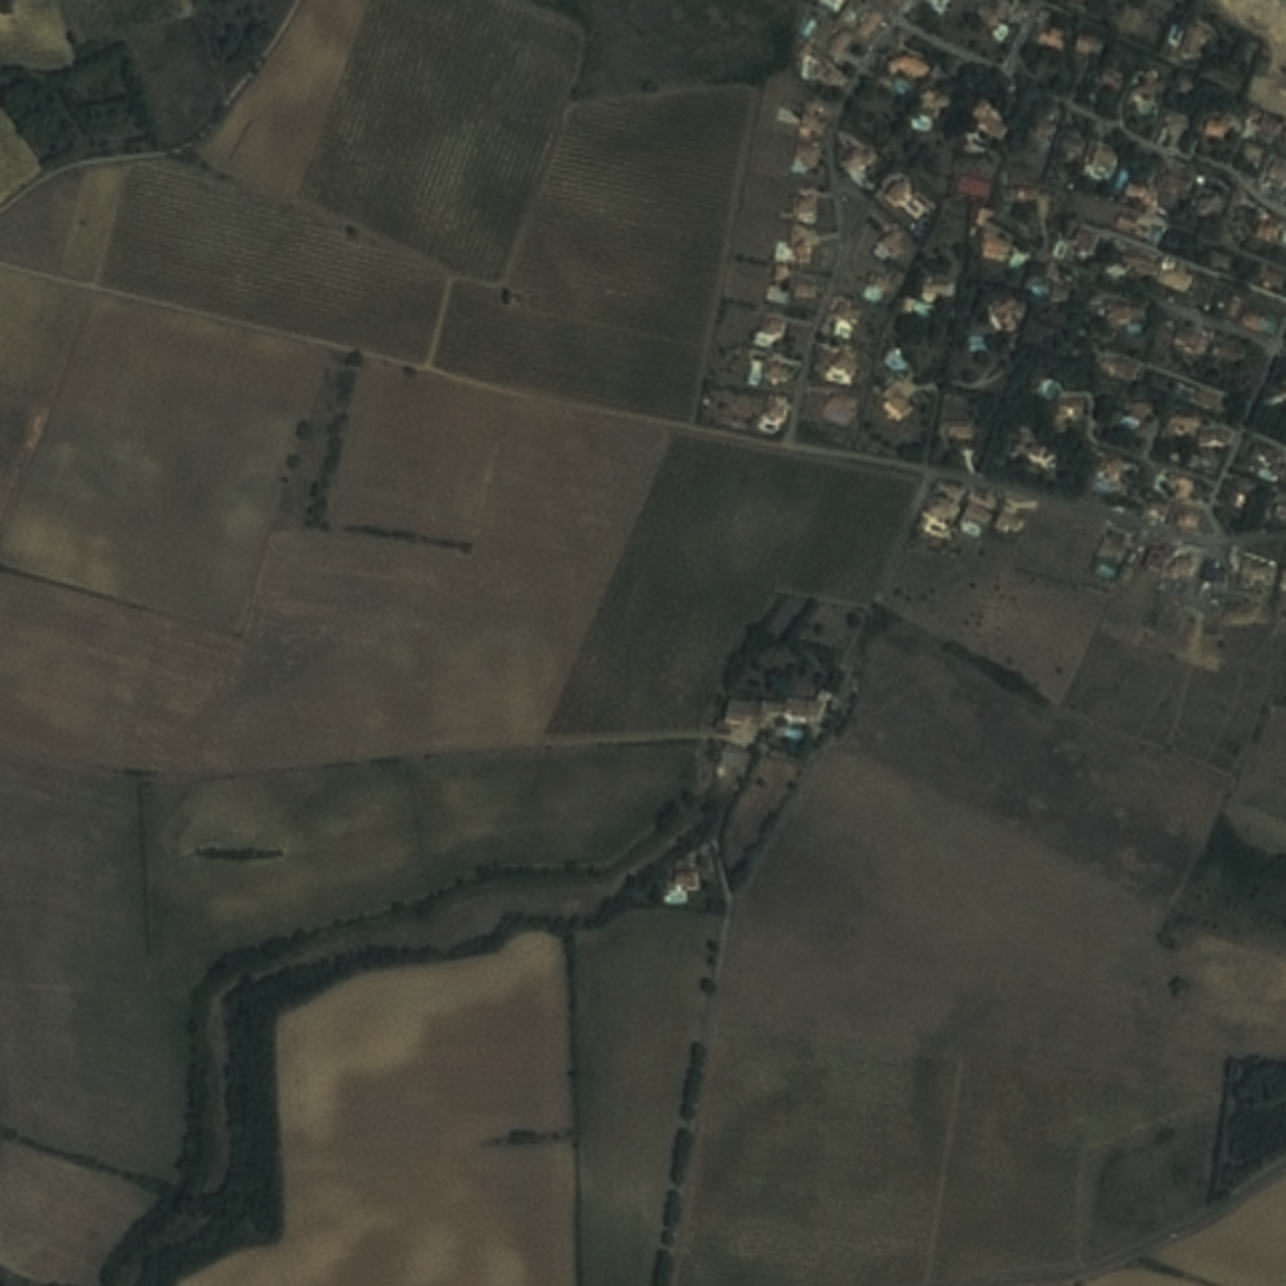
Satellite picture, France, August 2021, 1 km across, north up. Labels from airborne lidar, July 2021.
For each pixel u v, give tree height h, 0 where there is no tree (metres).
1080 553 0
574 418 0
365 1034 0
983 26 11
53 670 0
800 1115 0
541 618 0
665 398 0
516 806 0
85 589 0
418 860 0
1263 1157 7
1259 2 0
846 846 0
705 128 0
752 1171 0
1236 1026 0
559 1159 0
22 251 0
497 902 0
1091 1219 0
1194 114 10
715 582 0
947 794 0
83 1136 0
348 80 0
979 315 6
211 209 0
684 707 0
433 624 0
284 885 0
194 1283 0
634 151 0
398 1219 0
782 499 0
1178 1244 0
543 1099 0
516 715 0
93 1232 0
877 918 0
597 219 0
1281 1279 0
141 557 0
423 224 0
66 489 0
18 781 0
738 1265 0
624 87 0
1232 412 8
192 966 0
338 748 0
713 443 0
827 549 0
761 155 0
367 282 0
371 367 0
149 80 0
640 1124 0
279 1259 0
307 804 0
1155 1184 0
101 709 0
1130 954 0
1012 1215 0
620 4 0
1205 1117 0
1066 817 0
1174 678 0
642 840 0
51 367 0
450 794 0
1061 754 0
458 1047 0
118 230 0
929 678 0
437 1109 0
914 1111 0
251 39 14
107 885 0
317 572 0
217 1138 0
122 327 0
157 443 0
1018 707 0
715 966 8
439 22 0
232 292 0
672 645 0
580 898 0
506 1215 0
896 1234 0
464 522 0
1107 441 9
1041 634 0
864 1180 0
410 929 0
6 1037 0
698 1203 0
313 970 11
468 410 0
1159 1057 0
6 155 0
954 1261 0
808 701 0
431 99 0
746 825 0
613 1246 0
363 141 0
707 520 0
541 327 0
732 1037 0
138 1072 0
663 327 0
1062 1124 0
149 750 0
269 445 0
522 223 0
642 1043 0
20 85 12
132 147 6
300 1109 0
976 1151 0
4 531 0
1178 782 0
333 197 0
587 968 0
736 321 0
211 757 0
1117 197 5
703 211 0
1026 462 10
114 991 0
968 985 0
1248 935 0
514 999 0
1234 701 0
